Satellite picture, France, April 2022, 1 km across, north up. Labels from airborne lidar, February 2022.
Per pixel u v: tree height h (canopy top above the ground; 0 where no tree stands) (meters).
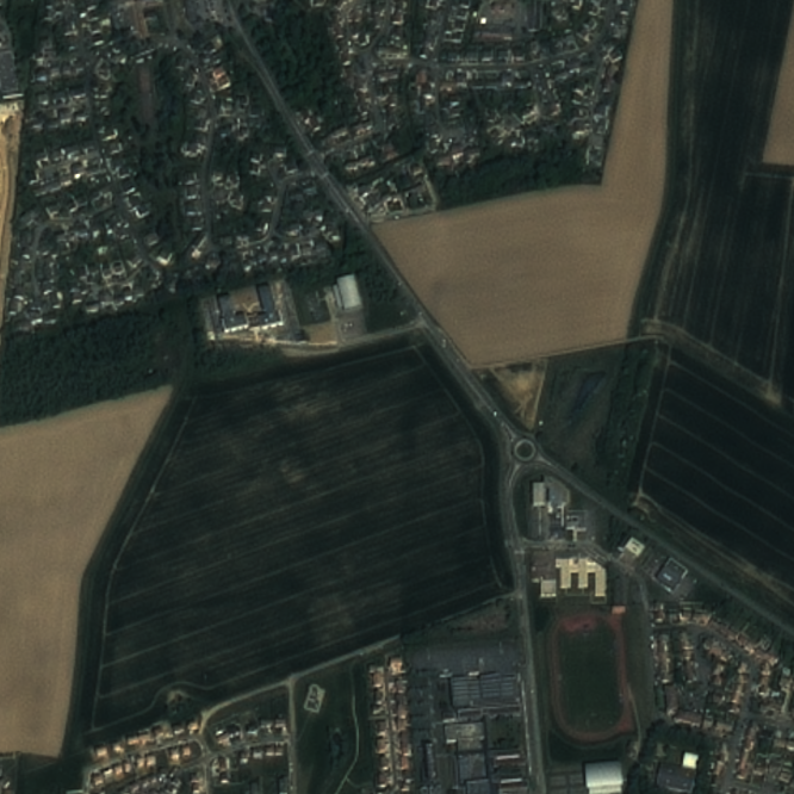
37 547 0
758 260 0
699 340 0
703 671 0
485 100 10
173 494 0
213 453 0
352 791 0
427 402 0
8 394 15
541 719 0
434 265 0
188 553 0
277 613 0
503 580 0
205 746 0
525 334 0
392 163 6
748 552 0
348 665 0
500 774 11
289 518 0
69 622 0
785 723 0
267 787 0
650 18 0
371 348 0
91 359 15
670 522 0
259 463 0
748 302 0
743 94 0
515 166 18
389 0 0
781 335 0
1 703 0
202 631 0
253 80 14
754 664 0
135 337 18
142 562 0
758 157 0
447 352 0
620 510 0
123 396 12
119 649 0
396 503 0
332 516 0
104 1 7
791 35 0
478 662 0
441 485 0
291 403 0
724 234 0
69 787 0
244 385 0
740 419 0
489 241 0
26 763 0
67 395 14
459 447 0
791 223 0
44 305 0
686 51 0
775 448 0
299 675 0
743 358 0
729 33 0
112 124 13
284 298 0
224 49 6
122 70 9
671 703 0
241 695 0
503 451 0
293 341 0
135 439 0
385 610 0
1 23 0
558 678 0
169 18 0
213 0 0
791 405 0
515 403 0
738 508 0
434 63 0
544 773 0
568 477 0
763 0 0
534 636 0
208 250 0
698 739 14
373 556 0
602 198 0
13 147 0
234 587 0
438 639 0
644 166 0
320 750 0
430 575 0
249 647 0
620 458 6
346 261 9
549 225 0
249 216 10
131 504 0
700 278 0
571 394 0
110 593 0
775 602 0
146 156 13
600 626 0
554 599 0
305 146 0
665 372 0
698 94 0
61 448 0
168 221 7
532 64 0
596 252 0
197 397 0
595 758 0
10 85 0
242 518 0
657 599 0
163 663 0
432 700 0
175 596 0
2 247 0
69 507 0
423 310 0
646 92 0
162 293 15
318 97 10
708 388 0
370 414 0
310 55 10
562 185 10
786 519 0
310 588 0
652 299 0
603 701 0
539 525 0
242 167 8
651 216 0
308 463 0
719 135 0
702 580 0
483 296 0
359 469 0
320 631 0
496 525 0
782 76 0
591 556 0
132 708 0
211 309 0
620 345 0
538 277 0
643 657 0
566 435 0
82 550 0
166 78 12
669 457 0
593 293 0
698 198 0
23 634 0
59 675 0
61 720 0
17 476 0
